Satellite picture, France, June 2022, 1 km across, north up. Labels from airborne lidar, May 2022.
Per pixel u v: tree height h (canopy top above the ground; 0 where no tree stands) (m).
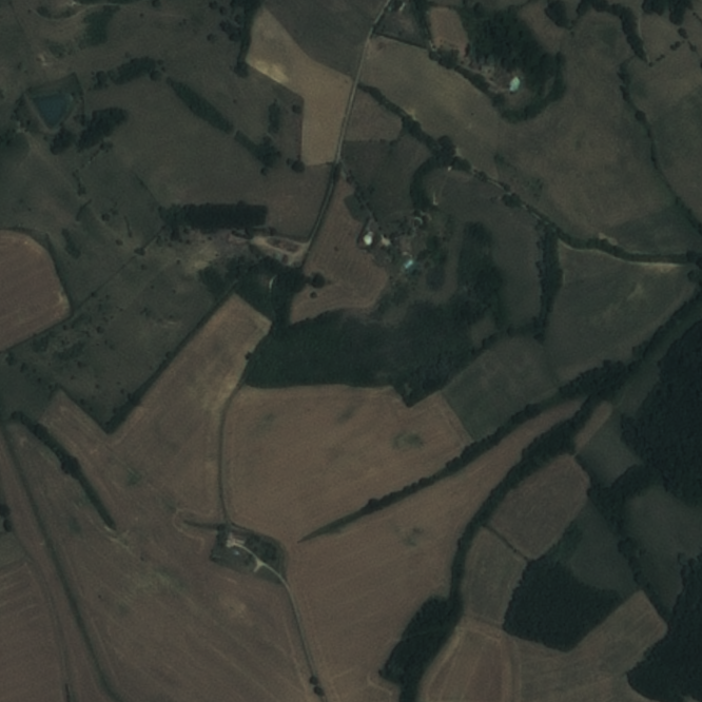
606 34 0
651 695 14
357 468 0
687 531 0
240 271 13
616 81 0
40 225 0
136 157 0
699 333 14
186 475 0
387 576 0
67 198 0
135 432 0
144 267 7
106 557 0
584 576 0
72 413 0
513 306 0
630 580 0
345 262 0
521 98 0
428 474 0
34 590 0
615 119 0
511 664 0
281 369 6
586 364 0
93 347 0
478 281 7
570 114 0
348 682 0
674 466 11
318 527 0
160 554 0
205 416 0
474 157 0
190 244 9
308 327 16
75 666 0
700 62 0
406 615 0
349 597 0
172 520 0
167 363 7
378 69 0
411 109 0
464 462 13
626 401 0
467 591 0
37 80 0
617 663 0
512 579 0
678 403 9
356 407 0
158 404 0
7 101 0
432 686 0
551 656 0
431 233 0
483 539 0
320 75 0
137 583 0
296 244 0
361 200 10
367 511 11
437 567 0
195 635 0
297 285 13
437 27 0
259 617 0
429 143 13
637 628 0
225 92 0
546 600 17
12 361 10
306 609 0
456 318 8
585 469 8
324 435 0
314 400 0
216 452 0
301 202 0
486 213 0
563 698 0
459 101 0
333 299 0
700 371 15
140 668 0
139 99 0
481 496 0
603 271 0
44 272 0
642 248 0
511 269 0
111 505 0
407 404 10
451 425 0
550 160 0
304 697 0
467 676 0
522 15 0
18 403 0
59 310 0
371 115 0
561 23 17
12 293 0
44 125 0
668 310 0
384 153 0
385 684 0
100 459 0
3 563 0
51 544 0
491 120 0
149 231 0
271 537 0
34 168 0
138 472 0
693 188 0
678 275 0
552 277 20
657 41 0
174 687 0
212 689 0
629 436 14
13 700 0
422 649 10
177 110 0
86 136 12
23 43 0
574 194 0
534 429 0
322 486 0
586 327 0
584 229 0
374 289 0
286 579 0
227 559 0
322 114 0
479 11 17
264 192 0
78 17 0
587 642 0
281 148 0
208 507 0
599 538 0
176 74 0
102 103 0
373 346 5
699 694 21
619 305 0
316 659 0
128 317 0
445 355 5
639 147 0
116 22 0
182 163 0
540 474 0
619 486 13
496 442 17
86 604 0
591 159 0
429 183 0
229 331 0
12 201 0
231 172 0
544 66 11
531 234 0
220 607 0
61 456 9
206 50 0
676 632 14
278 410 0
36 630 0
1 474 0
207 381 0
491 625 0
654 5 17
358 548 0
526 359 0
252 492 0
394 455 0
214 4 13
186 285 0
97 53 0
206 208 9
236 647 0
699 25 0
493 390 0
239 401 0
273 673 0
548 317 10
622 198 0
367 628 0
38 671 0
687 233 0
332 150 0
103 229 0
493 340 12
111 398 0
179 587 0
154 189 0
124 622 0
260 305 7
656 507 0
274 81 0
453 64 13
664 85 0
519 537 0
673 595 0
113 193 0
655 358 0
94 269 0
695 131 0
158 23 0
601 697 0
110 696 0
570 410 0
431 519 0
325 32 0
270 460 0
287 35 0
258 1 11
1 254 0
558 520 0
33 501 0
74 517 0
